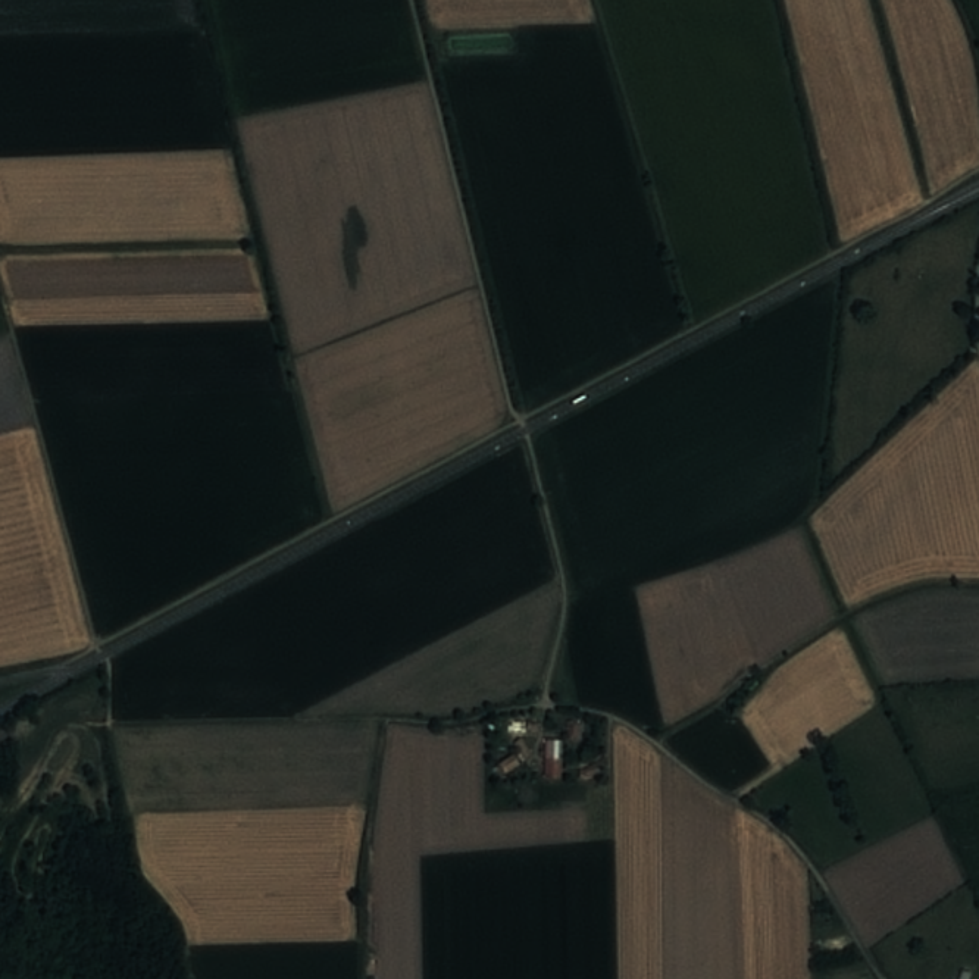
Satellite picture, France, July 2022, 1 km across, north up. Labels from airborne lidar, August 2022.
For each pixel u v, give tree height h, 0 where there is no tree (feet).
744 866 0
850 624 0
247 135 0
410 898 0
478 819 0
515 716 23
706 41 0
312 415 0
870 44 0
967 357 32
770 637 0
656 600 0
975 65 0
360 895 55
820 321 0
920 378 0
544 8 0
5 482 0
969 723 0
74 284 0
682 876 0
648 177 35
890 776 0
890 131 0
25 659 0
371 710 0
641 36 0
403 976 0
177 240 0
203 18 18
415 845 0
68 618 0
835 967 25
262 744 0
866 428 0
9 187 0
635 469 0
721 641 0
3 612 0
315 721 0
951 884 0
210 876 0
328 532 0
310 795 0
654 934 0
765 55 0
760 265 0
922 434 0
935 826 0
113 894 43
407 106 0
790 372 0
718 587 0
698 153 0
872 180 0
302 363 0
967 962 0
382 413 0
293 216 0
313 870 0
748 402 0
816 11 0
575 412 0
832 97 0
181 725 0
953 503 0
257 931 0
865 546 0
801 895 0
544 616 0
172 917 22
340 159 0
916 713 0
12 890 51
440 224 0
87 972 48
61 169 0
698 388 0
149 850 0
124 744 0
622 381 0
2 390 0
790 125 0
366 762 0
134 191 0
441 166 0
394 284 0
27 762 0
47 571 0
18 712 44
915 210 0
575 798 0
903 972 0
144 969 29
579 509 0
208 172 0
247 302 0
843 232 0
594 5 0
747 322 44
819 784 0
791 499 0
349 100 0
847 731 0
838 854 0
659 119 0
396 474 0
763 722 0
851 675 0
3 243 0
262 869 0
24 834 0
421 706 0
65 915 55
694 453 0
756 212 0
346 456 0
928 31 0
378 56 0
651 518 0
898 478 0
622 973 0
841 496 0
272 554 0
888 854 0
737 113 0
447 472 0
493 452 0
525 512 0
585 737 18
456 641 0
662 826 0
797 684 0
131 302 0
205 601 0
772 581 0
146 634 0
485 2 0
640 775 0
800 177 0
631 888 0
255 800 0
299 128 0
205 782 0
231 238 0
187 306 0
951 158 0
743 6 0
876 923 0
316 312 0
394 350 0
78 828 49
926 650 0
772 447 0
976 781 0
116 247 0
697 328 0
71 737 0
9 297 0
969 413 0
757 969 0
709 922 0
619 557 0
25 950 29
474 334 0
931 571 0
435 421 0
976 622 0
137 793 0
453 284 0
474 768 0
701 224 0
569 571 0
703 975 0
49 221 0
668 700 0
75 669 0
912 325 0
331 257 0
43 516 0
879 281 0
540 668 0
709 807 0
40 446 0
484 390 0
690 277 0
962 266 0
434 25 0
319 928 0
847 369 0
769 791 0
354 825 0
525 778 29
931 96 0
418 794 0
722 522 0
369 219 0
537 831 0
